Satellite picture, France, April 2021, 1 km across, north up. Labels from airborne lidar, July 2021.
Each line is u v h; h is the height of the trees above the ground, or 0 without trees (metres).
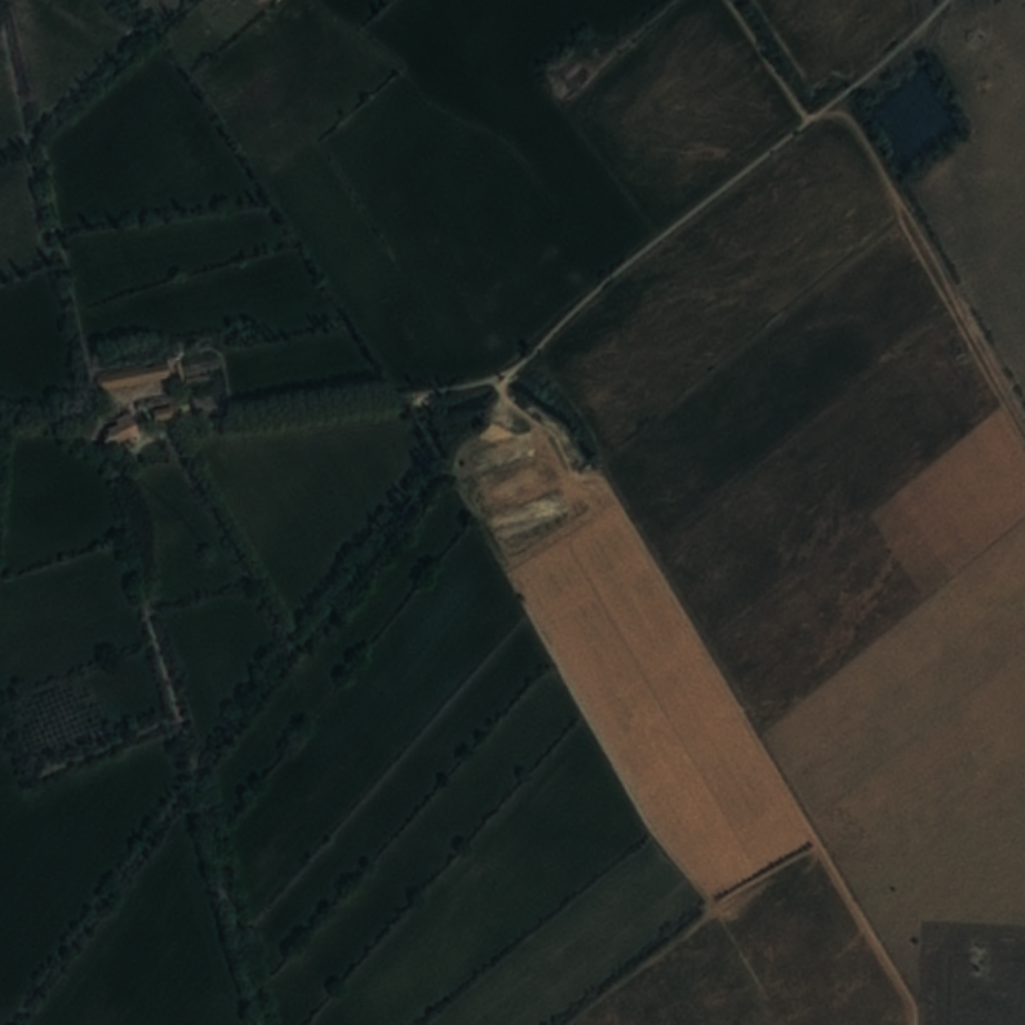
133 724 12
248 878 0
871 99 17
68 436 26
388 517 13
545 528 0
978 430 0
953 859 0
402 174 0
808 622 0
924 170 10
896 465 0
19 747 10
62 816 0
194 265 0
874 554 0
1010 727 0
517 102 0
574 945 0
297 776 0
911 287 0
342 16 0
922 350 0
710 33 0
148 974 0
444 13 0
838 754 0
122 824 0
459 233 0
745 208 0
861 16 0
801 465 0
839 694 0
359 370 0
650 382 0
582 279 0
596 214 0
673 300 0
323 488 0
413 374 0
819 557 0
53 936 0
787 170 0
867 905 0
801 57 0
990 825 0
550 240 0
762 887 0
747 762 0
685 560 0
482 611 0
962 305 0
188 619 0
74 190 0
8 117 0
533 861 0
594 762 0
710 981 0
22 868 0
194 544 0
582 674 0
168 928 0
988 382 0
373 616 0
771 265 0
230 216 11
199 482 21
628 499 0
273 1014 12
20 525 0
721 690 0
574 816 0
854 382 0
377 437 0
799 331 0
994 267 0
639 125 0
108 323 0
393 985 0
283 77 0
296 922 0
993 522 0
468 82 0
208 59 9
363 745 0
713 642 0
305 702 0
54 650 0
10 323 0
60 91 0
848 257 0
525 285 0
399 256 0
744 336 0
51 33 0
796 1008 0
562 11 0
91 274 0
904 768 0
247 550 22
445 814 0
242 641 0
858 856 0
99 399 24
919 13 0
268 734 0
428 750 0
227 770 0
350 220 0
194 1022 0
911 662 0
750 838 0
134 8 8
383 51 0
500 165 0
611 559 0
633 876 0
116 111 0
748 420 0
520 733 0
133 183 0
